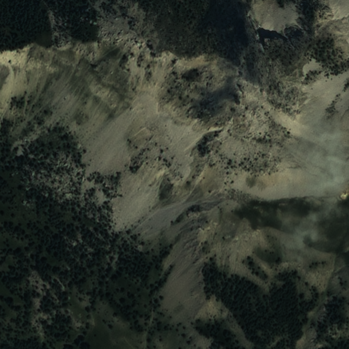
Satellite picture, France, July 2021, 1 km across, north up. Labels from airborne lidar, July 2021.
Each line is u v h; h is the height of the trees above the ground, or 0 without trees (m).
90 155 0
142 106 0
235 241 0
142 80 0
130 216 0
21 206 0
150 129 0
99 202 0
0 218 0
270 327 11
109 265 15
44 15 14
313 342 0
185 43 0
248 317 12
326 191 0
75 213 20
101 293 13
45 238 9
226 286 20
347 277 0
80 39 7
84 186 0
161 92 0
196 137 0
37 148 14
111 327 18
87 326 9
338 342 7
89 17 12
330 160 0
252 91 0
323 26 0
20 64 0
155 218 0
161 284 17
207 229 0
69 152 13
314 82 0
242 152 0
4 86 0
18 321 9
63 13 7
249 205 0
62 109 0
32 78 0
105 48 0
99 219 8
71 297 0
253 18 0
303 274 0
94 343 0
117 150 0
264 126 0
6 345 9
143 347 0
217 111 0
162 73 0
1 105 0
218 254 0
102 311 0
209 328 13
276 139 0
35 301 0
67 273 22
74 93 0
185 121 0
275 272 0
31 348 17
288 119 0
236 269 0
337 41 0
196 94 0
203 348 0
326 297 0
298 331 17
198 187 0
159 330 10
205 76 0
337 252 0
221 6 7
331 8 0
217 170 0
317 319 0
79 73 0
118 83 0
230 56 6
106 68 0
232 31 0
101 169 0
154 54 0
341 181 0
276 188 0
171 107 0
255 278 0
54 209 8
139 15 0
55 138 0
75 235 19
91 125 0
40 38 0
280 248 0
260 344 9
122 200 0
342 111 0
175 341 0
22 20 15
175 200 0
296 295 15
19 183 0
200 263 0
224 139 0
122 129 0
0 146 7
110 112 0
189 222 0
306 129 0
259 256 0
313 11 7
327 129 0
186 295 0
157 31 0
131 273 16
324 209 0
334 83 0
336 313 11
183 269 0
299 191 0
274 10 0
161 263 6
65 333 12
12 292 19
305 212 0
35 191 12
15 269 24
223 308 0
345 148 0
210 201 0
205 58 0
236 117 0
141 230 0
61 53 0
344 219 0
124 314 10
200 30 7
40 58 0
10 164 21
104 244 14
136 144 0
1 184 11
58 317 22
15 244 0
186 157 0
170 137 0
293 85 0
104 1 0
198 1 6
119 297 0
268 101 0
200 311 0
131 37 0
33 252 0
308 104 0
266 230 0
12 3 20
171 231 0
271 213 0
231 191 0
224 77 0
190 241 0
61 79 0
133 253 13
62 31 6
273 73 0
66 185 0
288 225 0
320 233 0
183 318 0
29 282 19
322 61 7
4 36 16
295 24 0
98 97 0
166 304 0
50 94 0
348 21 0
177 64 0
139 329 9
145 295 0
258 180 0
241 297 12
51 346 12
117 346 0
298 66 0
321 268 0
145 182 0
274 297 16
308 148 0
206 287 10
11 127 8
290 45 7
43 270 20
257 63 0
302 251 0
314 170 0
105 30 0
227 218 0
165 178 0
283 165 0
